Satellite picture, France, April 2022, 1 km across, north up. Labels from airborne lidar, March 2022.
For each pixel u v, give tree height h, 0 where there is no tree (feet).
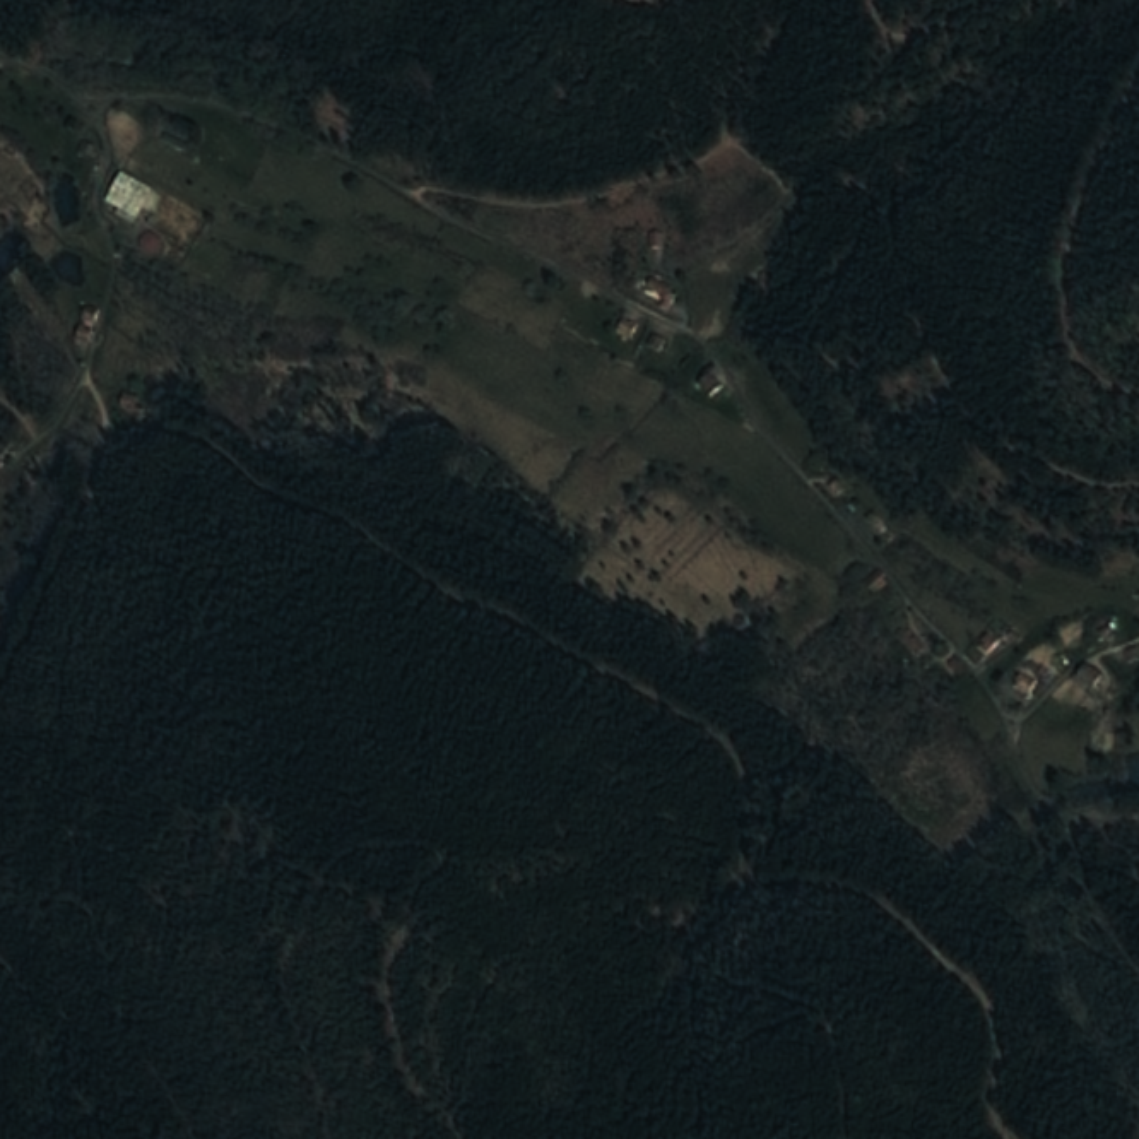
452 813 63
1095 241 44
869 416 47
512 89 45
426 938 27
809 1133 50
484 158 47
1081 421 62
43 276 69
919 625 0
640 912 50
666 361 0
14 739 44
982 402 54
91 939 32
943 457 101
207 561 84
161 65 89
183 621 72
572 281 0
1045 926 50
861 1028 47
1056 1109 75
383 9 49
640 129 47
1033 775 0
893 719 49
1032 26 28
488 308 0
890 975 62
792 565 0
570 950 37
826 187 87
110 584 74
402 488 112
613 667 67
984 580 21
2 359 78
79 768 46
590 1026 59
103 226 0
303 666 83
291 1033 42
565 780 34
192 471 68
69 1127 66
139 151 0
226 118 0
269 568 73
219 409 0
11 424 77
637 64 40
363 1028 18
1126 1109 84
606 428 0
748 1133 52
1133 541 44
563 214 0
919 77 67
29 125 0
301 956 21
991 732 0
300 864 61
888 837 80
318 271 0
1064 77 77
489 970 33
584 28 35
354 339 0
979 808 0
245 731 35
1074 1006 70
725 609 0
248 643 71
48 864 37
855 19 65
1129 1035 102
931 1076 50
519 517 28
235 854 24
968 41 91
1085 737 0
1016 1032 78
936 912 80
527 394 0
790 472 0
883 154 48
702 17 85
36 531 51
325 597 71
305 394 73
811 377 93
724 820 45
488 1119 55
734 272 0
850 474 66
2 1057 60
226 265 0
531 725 50
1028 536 41
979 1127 71
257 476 90
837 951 37
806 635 0
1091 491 36
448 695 52
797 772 49
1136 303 72
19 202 0
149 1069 43
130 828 35
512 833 56
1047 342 51
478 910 30
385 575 78
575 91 52
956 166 77
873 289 79
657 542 0
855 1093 45
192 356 44
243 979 28
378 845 57
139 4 39
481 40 35
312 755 64
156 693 65
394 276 0
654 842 46
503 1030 48
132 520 75
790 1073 55
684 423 0
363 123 73
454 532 57
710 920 57
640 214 0
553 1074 50
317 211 0
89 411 0
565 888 40
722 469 0
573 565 103
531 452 0
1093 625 26
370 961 28
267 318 38
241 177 0
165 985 28
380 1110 29
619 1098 42
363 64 46
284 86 102
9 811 50
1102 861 56
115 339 0
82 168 0
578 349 0
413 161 77
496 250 0
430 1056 25
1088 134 54
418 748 61
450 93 51
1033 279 45
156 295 56
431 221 0
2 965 47
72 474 79
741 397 0
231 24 48
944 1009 61
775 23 77
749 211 0
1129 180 37
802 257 46
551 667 65
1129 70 66
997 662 0
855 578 37
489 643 67
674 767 44
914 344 97
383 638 65
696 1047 54
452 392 0
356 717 69
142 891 38
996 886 78
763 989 52
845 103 27
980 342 57
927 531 0
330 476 91
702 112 76
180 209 0
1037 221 40
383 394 38
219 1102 24
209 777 50
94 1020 46
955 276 57
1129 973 99
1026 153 59
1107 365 67
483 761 45
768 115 67
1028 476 42
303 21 49
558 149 31
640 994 38
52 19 93
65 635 75
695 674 70
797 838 69
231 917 39
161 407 68
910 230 83
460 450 98
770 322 55
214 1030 23
